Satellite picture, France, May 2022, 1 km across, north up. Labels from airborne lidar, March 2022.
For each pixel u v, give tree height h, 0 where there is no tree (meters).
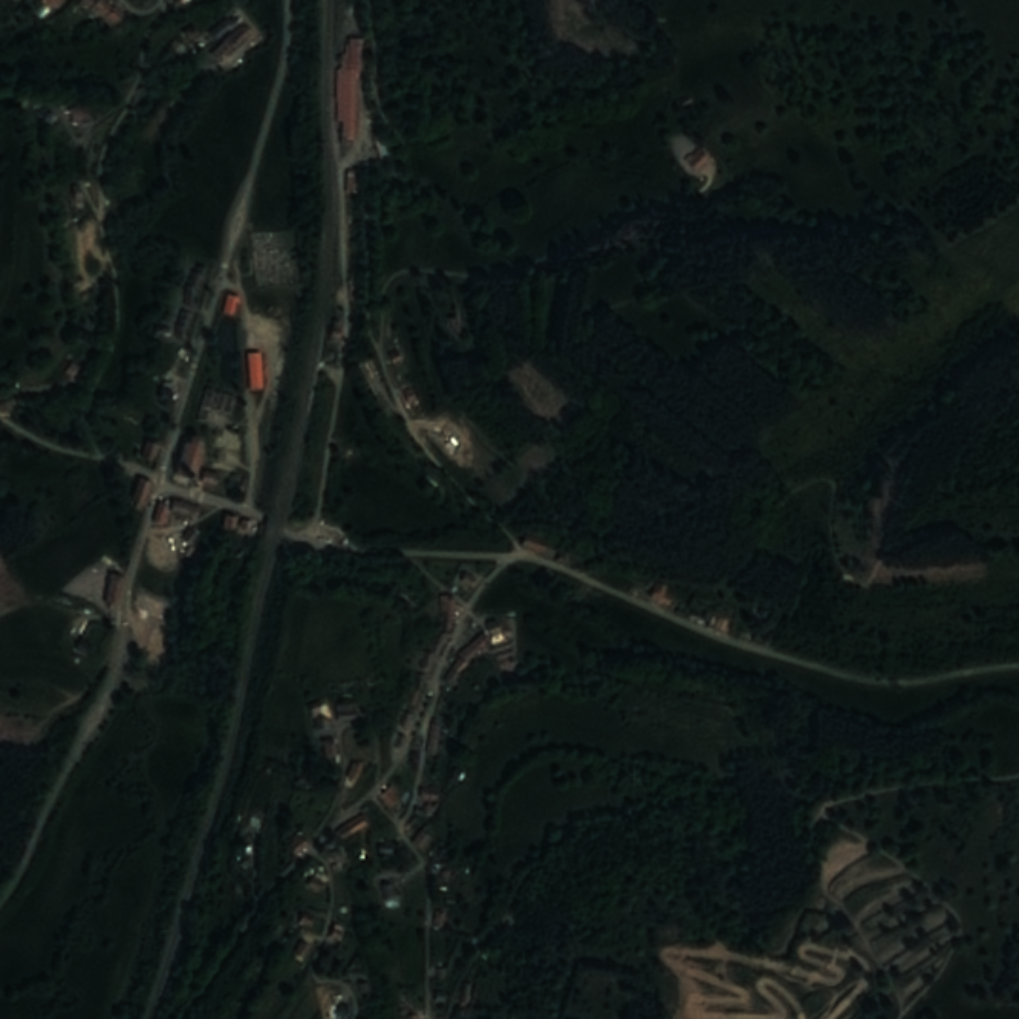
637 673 21
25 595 0
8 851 18
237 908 0
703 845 14
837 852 0
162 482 0
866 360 0
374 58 12
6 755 19
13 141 0
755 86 0
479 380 20
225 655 23
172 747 0
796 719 6
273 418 0
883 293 24
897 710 0
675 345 0
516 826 0
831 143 0
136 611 0
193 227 0
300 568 14
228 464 0
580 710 0
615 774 6
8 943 0
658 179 0
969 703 18
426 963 0
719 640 0
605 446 18
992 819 0
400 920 0
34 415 23
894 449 31
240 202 0
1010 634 8
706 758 0
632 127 0
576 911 13
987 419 19
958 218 9
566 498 19
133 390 17
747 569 27
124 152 20
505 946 14
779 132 0
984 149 0
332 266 0
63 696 0
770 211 16
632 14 28
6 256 0
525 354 26
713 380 17
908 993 0
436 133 17
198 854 0
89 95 22
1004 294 0
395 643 0
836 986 0
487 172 0
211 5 10
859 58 20
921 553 26
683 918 9
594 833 16
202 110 16
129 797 10
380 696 6
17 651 0
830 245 25
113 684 0
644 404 31
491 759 0
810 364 21
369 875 7
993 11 0
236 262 0
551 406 0
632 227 17
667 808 16
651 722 0
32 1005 0
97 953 0
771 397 27
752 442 26
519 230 0
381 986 8
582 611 17
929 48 0
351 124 0
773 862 31
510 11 19
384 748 0
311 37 10
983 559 28
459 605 0
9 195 0
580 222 0
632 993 18
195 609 28
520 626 0
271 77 0
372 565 11
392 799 0
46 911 0
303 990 0
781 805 28
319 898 0
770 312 16
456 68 19
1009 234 0
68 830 0
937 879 0
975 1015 0
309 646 0
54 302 15
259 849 10
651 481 30
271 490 0
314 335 0
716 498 23
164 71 10
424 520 0
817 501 0
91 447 18
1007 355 26
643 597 0
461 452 0
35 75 33
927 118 24
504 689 10
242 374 10
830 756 17
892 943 0
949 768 15
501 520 20
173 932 0
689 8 0
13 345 0
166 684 24
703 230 13
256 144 0
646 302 18
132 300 0
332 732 0
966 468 14
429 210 10
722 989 0
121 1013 16
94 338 18
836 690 0
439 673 0
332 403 0
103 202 0
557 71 29
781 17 6
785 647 7
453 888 0
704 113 10
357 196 9
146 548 0
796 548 0
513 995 11
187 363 0
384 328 0
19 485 0
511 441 15
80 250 0
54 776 9
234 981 11
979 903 0
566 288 23
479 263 0
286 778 0
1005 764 0
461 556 0
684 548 28
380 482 0
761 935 13
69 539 0
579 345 28
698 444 29
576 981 9
